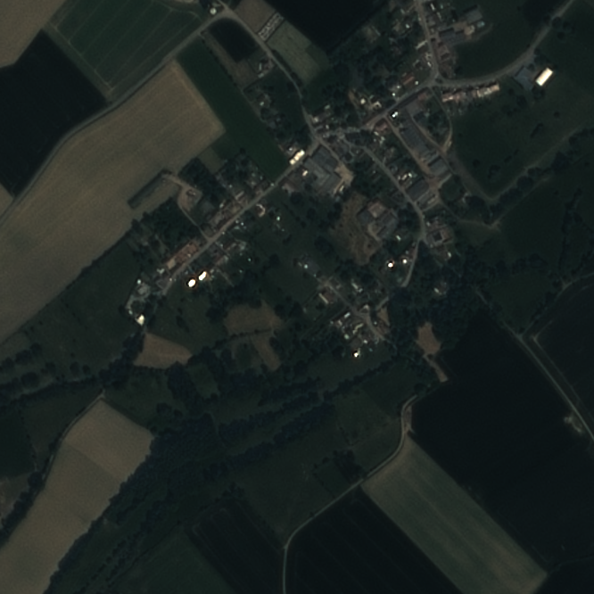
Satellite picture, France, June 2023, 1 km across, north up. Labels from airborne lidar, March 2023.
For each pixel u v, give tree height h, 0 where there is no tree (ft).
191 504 0
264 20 0
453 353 0
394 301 71
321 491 0
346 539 0
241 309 0
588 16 0
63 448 0
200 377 0
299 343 65
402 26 0
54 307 0
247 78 0
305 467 0
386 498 0
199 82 0
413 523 0
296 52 0
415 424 0
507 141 0
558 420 0
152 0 0
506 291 0
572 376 0
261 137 0
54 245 0
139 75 0
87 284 0
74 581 0
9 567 0
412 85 0
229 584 0
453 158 0
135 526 0
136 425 0
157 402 0
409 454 0
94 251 0
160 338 0
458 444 0
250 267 0
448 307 44
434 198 0
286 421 0
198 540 0
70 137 0
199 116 0
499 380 0
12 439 0
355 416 0
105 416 0
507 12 0
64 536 0
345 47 25
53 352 0
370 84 46
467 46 0
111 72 0
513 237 0
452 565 0
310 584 0
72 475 0
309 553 0
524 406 0
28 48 0
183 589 0
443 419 0
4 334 0
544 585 0
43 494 0
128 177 0
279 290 23
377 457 0
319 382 23
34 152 0
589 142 0
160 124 0
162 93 0
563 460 0
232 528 0
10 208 0
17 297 0
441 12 0
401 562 0
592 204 0
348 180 0
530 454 0
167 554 0
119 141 0
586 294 0
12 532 0
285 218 0
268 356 0
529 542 0
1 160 0
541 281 0
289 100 0
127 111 0
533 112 0
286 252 0
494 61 0
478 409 0
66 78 0
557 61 0
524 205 0
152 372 38
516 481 0
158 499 0
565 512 0
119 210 0
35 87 0
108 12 0
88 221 0
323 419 73
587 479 0
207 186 37
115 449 0
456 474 0
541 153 0
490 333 0
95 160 0
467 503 0
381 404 0
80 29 0
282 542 0
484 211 40
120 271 0
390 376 0
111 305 0
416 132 0
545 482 0
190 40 0
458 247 28
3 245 0
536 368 0
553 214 0
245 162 32
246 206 0
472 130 0
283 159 0
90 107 0
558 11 0
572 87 0
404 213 29
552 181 0
